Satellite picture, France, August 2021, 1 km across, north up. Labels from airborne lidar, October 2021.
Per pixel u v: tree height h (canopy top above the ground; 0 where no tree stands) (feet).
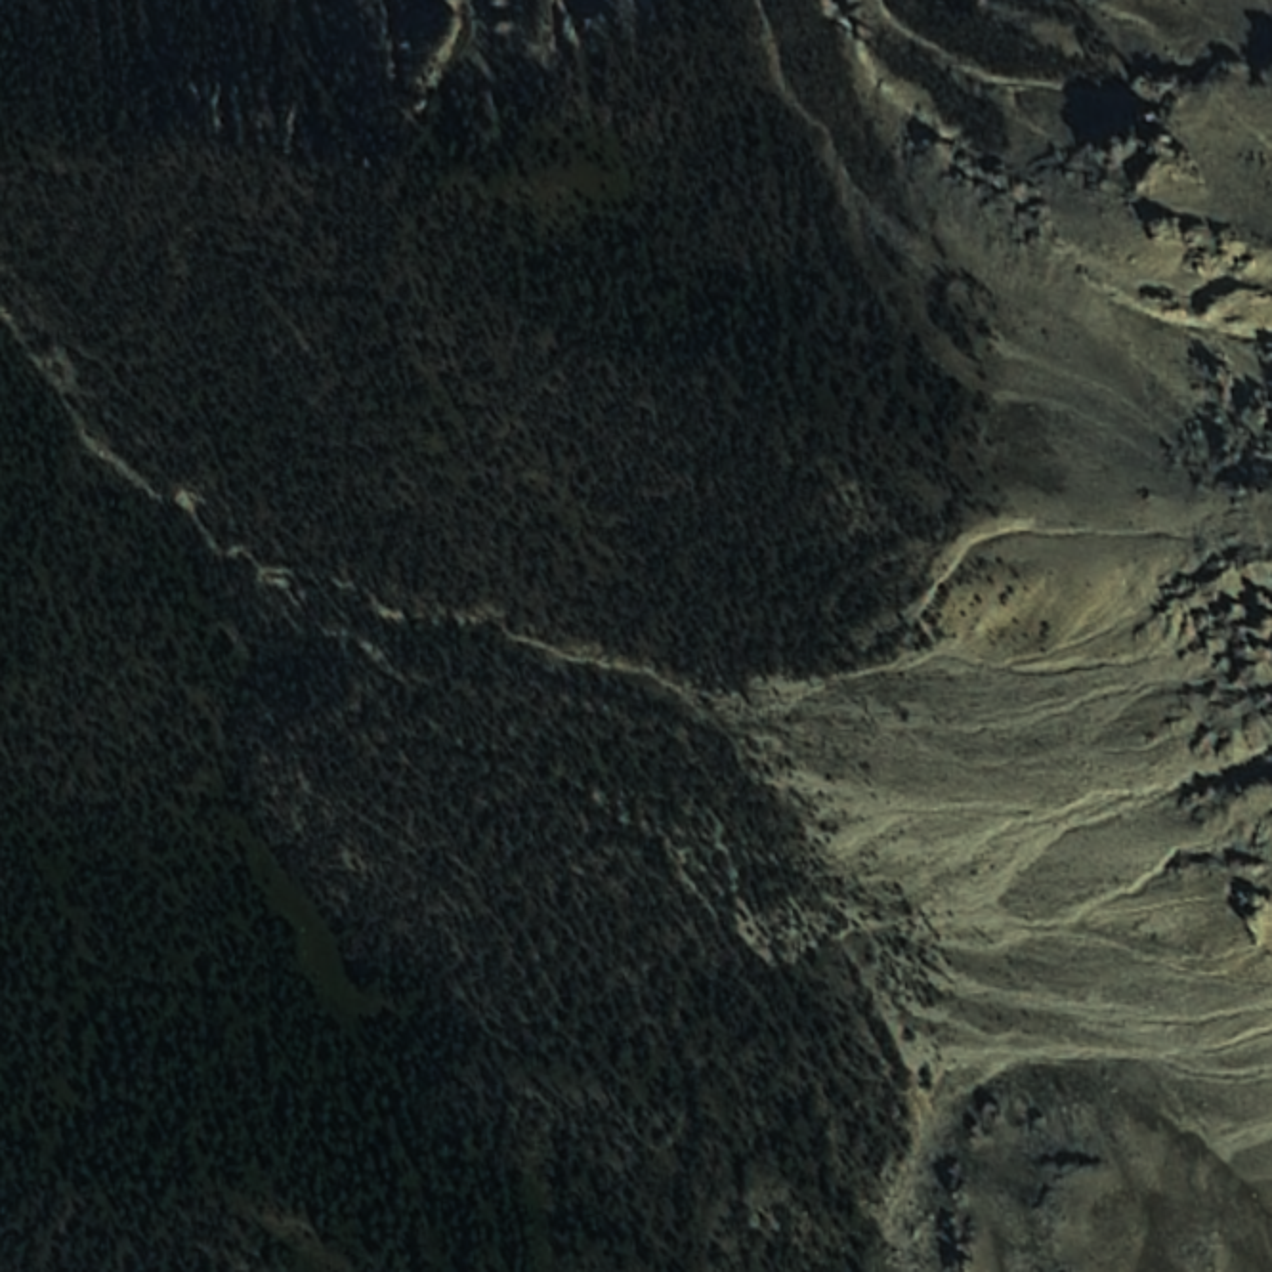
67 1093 0
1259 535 0
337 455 38
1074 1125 0
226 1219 32
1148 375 0
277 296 37
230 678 28
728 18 42
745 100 38
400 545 45
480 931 27
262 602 37
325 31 36
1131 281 0
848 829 0
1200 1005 0
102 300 34
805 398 47
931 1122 0
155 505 52
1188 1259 0
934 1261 0
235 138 43
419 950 50
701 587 40
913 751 0
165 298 46
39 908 39
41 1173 53
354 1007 0
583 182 0
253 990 65
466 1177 63
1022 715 0
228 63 34
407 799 32
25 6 32
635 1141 23
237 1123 55
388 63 18
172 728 47
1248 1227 0
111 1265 31
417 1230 36
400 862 38
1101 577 0
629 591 31
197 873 51
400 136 34
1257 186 0
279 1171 58
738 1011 37
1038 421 0
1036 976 0
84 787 38
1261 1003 0
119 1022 47
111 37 55
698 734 34
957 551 0
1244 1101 0
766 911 24
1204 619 43
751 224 33
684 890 29
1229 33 0
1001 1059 0
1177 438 0
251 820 48
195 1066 66
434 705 31
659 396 39
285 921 26
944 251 23
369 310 40
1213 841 0
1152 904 0
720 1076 39
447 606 38
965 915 0
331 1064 77
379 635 19
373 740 47
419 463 41
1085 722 0
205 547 43
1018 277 0
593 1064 37
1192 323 0
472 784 32
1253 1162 0
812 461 47
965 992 0
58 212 47
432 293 30
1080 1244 0
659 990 38
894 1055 39
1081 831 0
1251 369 0
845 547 31
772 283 41
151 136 31
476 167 46
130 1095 63
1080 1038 0
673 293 69
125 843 63
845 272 32
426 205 41
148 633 21
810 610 22
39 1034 49
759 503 54
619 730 25
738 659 32
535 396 50
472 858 41
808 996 39
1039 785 0
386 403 56
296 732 31
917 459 29
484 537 50
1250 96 0
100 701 41
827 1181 23
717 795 25
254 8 45
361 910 57
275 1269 48
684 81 36
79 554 44
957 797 0
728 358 39
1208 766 0
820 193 44
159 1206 56
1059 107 0
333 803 26
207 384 37
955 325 22
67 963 59
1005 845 0
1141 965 0
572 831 35
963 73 0
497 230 34
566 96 34
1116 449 0
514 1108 34
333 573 42
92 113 46
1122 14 0
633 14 0
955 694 0
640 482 39
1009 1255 0
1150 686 0
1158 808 0
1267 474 0
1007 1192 0
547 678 30
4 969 39
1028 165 0
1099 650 0
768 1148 40
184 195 62
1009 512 0
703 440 43
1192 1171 0
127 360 45
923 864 0
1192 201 0
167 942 44
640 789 34
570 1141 61
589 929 42
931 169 0
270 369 48
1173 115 0
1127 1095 0
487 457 48
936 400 22
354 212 40
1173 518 0
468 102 52
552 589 35
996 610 0
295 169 41
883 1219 0
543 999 37
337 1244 43
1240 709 0
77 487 24
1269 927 0
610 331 26
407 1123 73
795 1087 23
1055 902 0
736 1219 23
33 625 33
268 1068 68
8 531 29
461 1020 35
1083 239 0
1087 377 0
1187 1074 0
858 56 0
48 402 53
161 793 33
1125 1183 0
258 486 57
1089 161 0
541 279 51
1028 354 0
